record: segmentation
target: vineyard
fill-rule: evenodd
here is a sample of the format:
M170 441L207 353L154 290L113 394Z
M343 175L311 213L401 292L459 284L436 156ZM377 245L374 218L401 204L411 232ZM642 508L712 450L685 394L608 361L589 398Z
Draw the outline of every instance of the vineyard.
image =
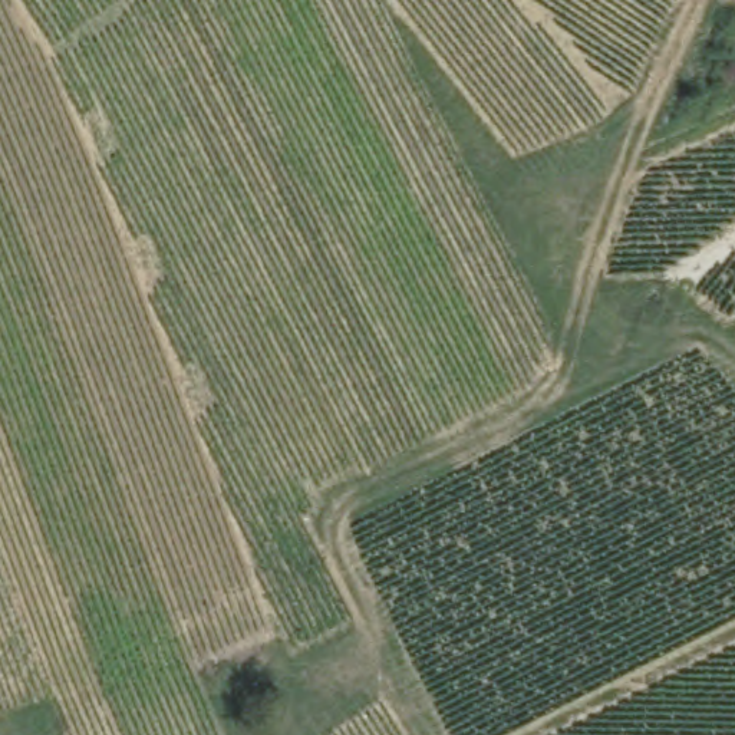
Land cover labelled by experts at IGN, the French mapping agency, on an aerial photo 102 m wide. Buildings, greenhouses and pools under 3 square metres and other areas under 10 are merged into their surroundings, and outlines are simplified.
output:
M663 49L663 40L669 37L680 14L680 9L672 0L534 0L554 14L560 29L566 29L574 37L574 46L586 55L589 66L609 78L614 86L620 86L620 100L626 98L635 103L655 69L655 57Z
M735 253L718 261L701 281L678 281L703 313L709 313L721 324L735 324Z
M376 675L376 701L365 706L359 715L342 721L330 735L735 735L735 359L726 359L721 350L712 350L706 342L675 342L678 356L672 356L672 362L657 365L649 373L637 373L617 390L580 405L577 411L557 413L551 408L566 396L568 388L568 382L560 376L563 356L551 350L551 336L543 330L537 296L525 284L520 284L520 276L508 267L517 258L514 250L508 247L508 241L491 238L485 218L474 207L474 198L479 195L477 184L462 181L457 175L462 149L457 135L445 126L428 89L413 92L413 63L405 49L419 40L419 46L431 55L431 60L451 80L451 86L465 98L471 112L485 123L494 141L511 158L540 152L580 132L589 132L591 126L600 126L612 112L580 78L571 60L560 52L551 34L543 26L531 23L514 0L0 0L0 735L227 735L224 695L215 698L207 689L207 680L201 678L204 666L253 657L261 669L270 672L273 683L278 678L301 680L301 669L313 669L319 660L345 657L356 643L365 652L382 649L385 672Z
M612 247L609 267L600 273L600 281L626 284L666 278L666 267L698 253L706 241L718 238L726 224L735 224L735 121L692 141L680 141L657 155L649 155L655 167L637 184L637 198L629 207L629 215Z

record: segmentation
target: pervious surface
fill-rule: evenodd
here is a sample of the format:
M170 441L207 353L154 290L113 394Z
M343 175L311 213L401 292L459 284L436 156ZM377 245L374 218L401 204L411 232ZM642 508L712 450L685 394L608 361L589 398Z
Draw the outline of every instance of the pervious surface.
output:
M574 270L574 284L563 316L566 327L586 327L591 299L600 281L600 273L609 267L612 247L629 215L629 207L637 198L637 184L655 167L649 155L643 149L649 144L655 118L669 89L675 86L680 63L695 40L695 32L706 14L709 0L672 0L680 9L680 14L669 37L663 40L663 49L655 57L655 69L635 103L617 146L617 158L606 178L603 195L583 235L583 253Z
M735 224L726 224L718 238L706 241L698 253L666 267L666 278L678 281L701 281L718 261L735 253Z
M574 46L574 37L566 29L560 29L554 14L534 0L514 0L531 23L543 26L551 34L560 52L571 60L580 78L612 112L620 100L620 86L614 86L609 78L589 66L586 55Z

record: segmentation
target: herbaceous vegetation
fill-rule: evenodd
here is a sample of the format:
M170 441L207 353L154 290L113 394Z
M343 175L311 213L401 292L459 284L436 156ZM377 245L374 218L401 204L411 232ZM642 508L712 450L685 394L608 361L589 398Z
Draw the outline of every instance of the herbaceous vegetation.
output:
M204 666L201 678L207 680L207 689L215 698L224 695L227 735L330 735L342 721L359 715L365 706L376 701L376 675L385 672L382 649L365 652L356 643L345 657L319 660L313 669L301 669L301 680L278 678L273 683L270 672L261 669L253 657ZM258 701L273 701L267 721L253 729L238 726L235 721L244 715L244 709Z
M600 281L591 299L586 327L566 327L563 316L574 284L574 270L583 253L583 235L603 195L606 178L617 158L617 146L635 103L626 98L620 100L612 112L600 126L591 126L589 132L580 132L540 152L511 158L494 141L485 123L471 112L465 98L451 86L451 80L431 60L431 55L419 46L419 40L405 49L413 63L413 92L428 89L445 126L457 135L462 149L457 175L462 181L477 184L479 195L474 198L474 207L485 218L491 238L508 241L508 247L514 250L517 258L508 267L520 276L520 284L525 284L537 296L543 330L551 336L551 350L563 356L560 376L568 382L568 388L566 396L551 408L557 413L577 411L580 405L617 390L637 373L649 373L657 365L672 362L672 356L678 356L675 342L706 342L712 350L721 350L726 359L735 359L735 324L721 324L709 313L703 313L678 281L666 278L626 284Z

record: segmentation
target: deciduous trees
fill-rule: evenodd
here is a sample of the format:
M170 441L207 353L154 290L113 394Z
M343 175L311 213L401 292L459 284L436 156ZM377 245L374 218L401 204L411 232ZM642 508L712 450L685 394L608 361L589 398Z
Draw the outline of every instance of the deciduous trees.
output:
M244 715L235 721L238 726L253 729L267 721L273 701L258 701L244 709Z

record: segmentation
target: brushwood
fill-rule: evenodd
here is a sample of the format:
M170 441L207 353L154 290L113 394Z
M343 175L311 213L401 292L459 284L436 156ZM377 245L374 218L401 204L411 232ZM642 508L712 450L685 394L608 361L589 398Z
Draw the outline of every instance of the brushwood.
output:
M649 144L643 149L649 155L657 155L680 141L692 141L735 121L735 0L709 0L706 14L695 32L695 40L680 63L675 86L669 89L655 118Z

